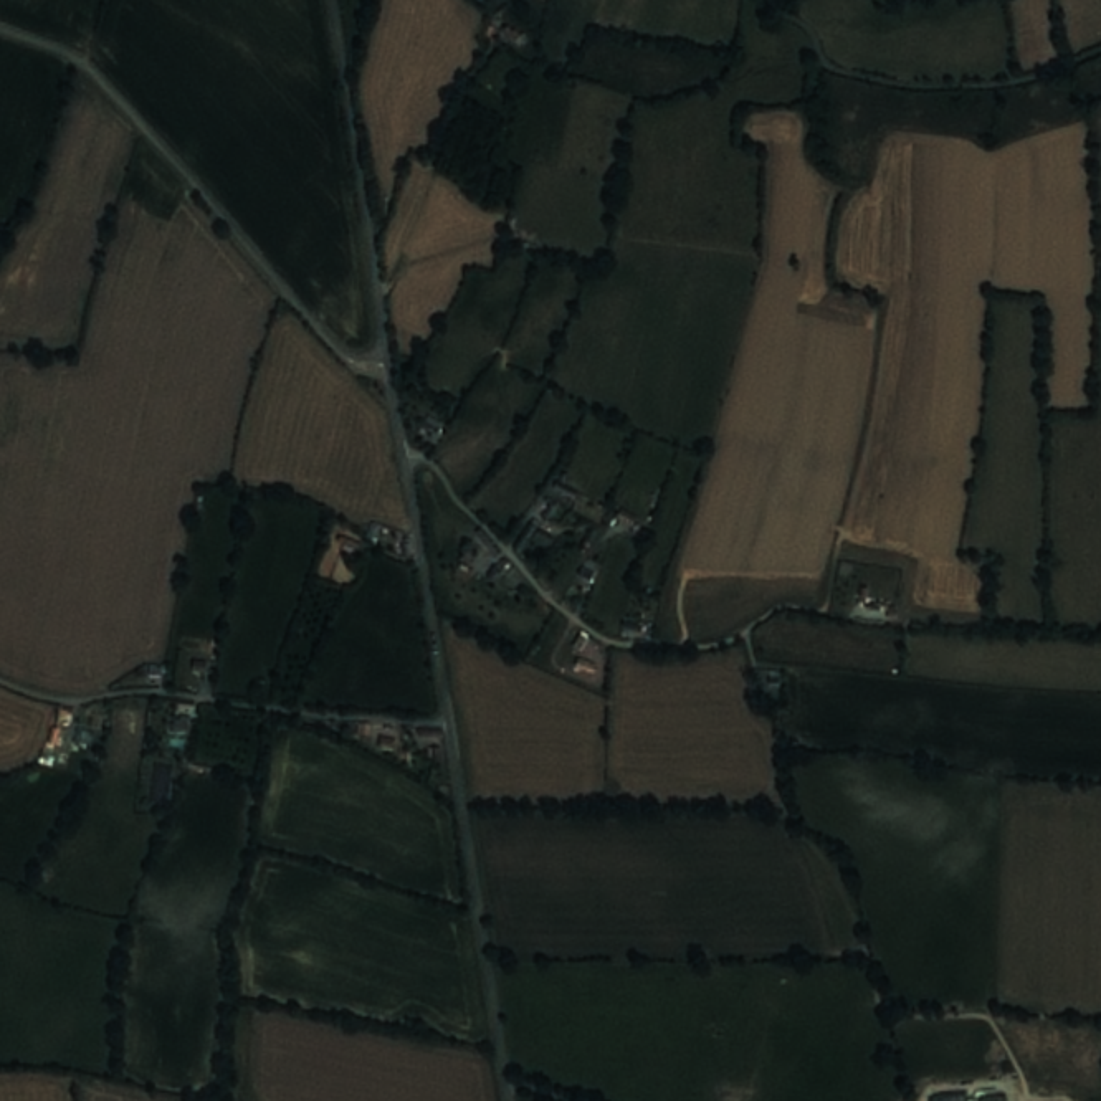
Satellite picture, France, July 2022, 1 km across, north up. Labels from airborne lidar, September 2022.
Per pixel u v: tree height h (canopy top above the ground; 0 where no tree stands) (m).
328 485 0
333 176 0
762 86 0
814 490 0
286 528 0
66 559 0
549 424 0
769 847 0
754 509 0
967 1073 0
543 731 0
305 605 6
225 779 19
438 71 0
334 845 0
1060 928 0
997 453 0
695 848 0
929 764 23
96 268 15
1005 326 0
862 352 0
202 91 0
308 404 0
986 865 0
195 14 0
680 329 0
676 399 0
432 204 0
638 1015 0
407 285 0
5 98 0
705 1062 0
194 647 0
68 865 0
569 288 0
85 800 15
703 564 0
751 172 0
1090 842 0
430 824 0
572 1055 0
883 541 0
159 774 0
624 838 0
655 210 0
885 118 0
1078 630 8
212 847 0
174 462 0
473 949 0
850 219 0
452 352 0
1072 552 0
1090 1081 0
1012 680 0
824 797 0
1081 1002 0
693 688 0
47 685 0
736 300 0
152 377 0
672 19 0
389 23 0
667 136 0
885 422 0
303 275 0
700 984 0
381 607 0
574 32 0
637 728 0
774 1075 0
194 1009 0
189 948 0
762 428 0
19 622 0
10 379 0
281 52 0
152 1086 14
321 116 0
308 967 0
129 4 0
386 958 0
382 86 0
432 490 0
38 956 0
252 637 0
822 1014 0
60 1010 0
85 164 0
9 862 0
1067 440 0
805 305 0
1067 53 14
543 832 0
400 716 7
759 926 0
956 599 0
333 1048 0
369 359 0
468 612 0
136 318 0
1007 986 0
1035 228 0
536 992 0
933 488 0
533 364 0
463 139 17
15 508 0
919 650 0
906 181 0
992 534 0
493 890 0
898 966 0
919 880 0
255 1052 0
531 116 0
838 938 0
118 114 0
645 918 0
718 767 0
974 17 0
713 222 0
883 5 8
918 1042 0
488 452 0
